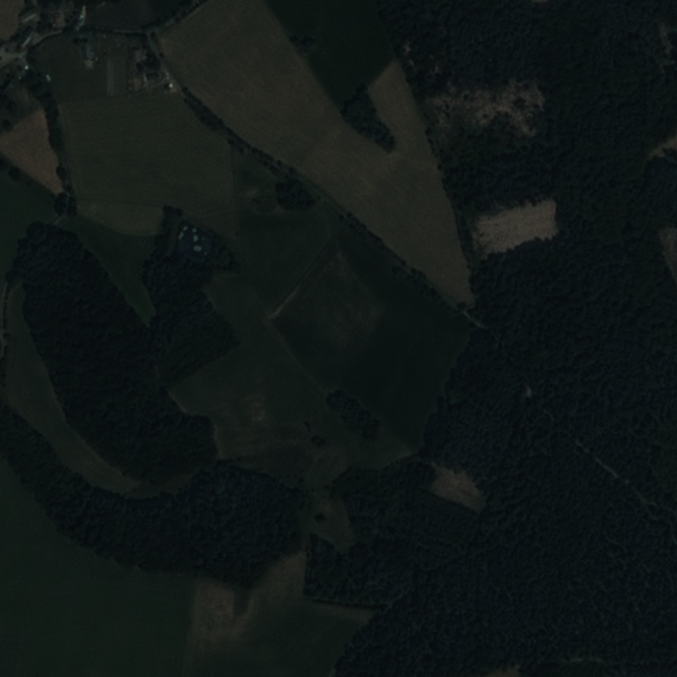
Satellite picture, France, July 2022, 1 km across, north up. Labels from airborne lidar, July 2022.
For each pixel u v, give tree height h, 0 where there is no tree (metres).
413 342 0
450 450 24
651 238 26
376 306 0
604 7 20
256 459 0
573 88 23
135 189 0
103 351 30
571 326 25
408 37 16
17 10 0
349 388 0
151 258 8
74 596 0
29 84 12
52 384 8
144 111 0
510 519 20
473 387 25
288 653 0
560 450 21
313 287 0
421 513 10
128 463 24
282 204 12
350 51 0
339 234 0
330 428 0
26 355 0
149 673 0
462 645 27
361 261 0
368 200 0
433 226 0
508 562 18
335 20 0
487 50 12
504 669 20
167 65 0
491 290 25
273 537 22
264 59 0
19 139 0
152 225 0
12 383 0
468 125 0
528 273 25
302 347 0
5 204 0
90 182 0
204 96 0
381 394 0
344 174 0
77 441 0
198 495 27
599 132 22
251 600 0
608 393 6
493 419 22
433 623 22
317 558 20
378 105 0
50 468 28
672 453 7
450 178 15
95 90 0
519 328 27
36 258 26
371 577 24
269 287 0
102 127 0
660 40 34
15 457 21
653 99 24
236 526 25
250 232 0
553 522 24
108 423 24
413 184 0
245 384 0
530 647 20
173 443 24
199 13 0
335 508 0
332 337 0
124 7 0
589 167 22
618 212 25
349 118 14
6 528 0
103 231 0
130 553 23
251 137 0
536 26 23
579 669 7
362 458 0
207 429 27
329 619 0
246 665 0
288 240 0
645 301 23
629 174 23
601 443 13
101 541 22
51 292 27
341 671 19
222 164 0
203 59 0
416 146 0
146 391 21
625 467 14
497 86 14
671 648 26
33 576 0
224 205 0
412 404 0
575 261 28
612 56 17
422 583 26
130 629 0
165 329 18
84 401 27
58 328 28
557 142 19
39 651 0
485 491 25
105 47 0
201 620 0
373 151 0
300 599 0
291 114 0
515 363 14
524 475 23
